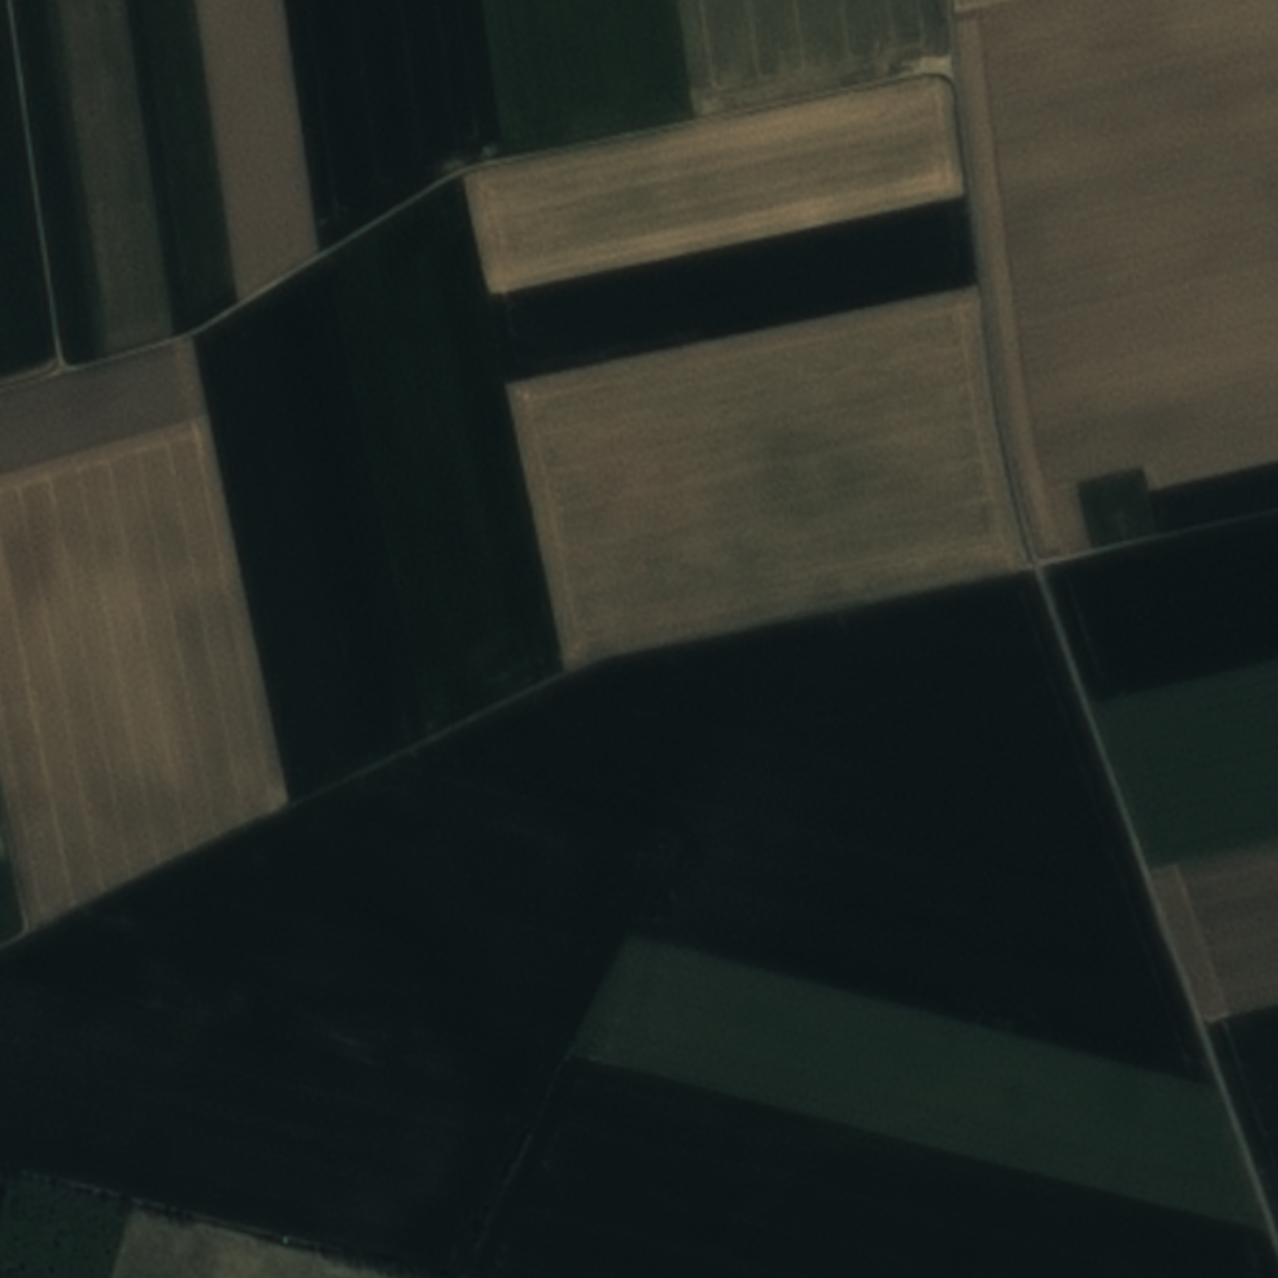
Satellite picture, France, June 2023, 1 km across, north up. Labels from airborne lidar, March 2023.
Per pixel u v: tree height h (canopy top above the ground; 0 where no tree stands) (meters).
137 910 0
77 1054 0
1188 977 0
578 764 0
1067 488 0
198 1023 0
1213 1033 0
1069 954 0
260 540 0
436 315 0
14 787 0
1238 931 0
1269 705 0
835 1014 0
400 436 0
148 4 0
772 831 0
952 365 0
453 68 0
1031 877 0
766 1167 0
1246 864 0
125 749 0
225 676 0
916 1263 0
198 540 0
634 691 0
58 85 0
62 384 0
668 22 0
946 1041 0
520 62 0
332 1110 0
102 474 0
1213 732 0
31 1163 0
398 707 0
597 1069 0
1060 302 0
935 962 0
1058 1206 0
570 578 0
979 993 0
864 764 0
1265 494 0
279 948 0
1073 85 0
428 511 0
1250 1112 0
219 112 0
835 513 0
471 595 0
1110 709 0
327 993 0
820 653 0
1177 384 0
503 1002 0
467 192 0
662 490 0
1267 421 0
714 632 0
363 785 0
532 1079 0
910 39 0
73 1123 0
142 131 0
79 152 0
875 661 0
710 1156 0
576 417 0
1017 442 0
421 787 0
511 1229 0
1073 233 0
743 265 0
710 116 0
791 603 0
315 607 0
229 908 0
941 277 0
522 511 0
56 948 0
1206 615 0
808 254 0
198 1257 0
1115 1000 0
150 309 0
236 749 0
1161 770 0
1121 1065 0
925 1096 0
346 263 0
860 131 0
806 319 0
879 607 0
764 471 0
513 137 0
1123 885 0
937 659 0
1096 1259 0
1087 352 0
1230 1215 0
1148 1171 0
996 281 0
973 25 0
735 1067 0
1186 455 0
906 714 0
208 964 0
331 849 0
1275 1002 0
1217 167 0
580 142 0
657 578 0
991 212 0
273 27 0
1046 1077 0
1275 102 0
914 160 0
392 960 0
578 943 0
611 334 0
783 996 0
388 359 0
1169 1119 0
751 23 0
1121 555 0
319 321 0
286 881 0
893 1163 0
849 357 0
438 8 0
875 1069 0
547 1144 0
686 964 0
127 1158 0
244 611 0
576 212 0
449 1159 0
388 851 0
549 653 0
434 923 0
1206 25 0
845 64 0
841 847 0
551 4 0
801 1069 0
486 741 0
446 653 0
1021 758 0
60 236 0
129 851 0
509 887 0
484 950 0
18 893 0
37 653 0
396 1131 0
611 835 0
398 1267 12
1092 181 0
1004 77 0
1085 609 0
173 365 0
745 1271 0
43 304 0
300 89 0
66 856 0
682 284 0
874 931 0
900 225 0
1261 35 0
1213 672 0
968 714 0
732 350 0
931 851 0
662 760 0
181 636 0
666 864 0
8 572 0
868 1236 0
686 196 0
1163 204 0
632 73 0
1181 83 0
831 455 0
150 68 0
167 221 0
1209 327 0
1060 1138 0
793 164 0
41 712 0
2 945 0
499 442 0
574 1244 0
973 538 0
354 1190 0
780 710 0
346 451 0
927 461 0
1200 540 0
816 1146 0
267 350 0
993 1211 0
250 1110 0
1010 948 0
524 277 0
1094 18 0
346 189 0
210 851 0
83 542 0
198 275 0
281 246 0
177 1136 0
